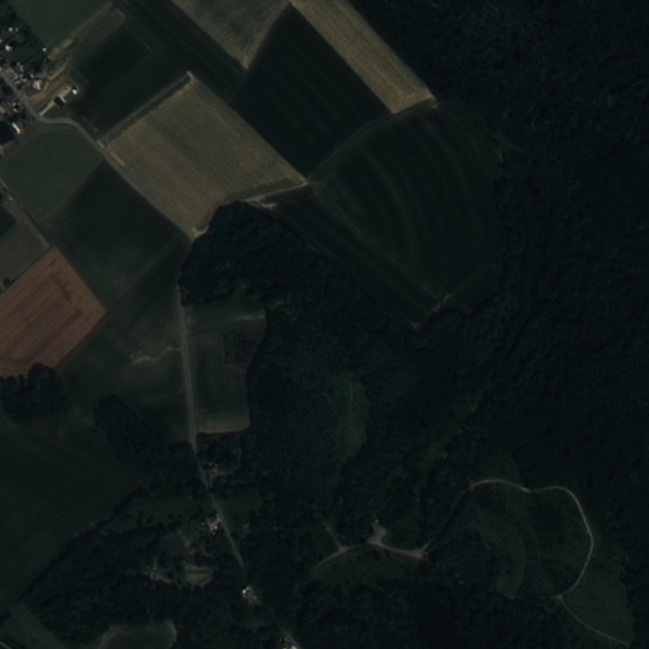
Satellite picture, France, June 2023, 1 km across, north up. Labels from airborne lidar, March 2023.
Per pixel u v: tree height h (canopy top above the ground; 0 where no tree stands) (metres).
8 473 0
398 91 0
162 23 0
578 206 21
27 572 0
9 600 0
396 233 0
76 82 0
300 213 0
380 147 0
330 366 24
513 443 22
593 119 29
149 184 0
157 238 0
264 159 0
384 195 0
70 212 0
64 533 0
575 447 25
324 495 31
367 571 0
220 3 0
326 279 20
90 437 0
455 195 0
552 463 24
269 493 21
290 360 23
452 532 21
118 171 0
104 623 18
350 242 0
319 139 0
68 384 0
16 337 0
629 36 23
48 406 18
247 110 0
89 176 0
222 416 0
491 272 0
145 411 0
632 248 31
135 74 0
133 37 0
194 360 0
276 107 0
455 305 0
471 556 18
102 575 21
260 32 0
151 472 20
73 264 0
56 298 0
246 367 0
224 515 0
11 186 0
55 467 0
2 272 0
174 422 0
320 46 0
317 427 25
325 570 0
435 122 0
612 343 20
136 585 24
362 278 0
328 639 20
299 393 24
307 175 0
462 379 23
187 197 0
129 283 0
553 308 21
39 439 0
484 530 0
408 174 0
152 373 0
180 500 0
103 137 0
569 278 15
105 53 0
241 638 24
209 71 0
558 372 18
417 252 0
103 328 0
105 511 0
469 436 29
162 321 0
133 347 0
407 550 0
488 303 16
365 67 0
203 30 0
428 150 0
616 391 21
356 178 0
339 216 0
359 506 26
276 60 0
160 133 0
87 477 0
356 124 0
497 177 0
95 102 0
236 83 0
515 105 21
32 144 0
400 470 26
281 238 23
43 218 0
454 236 0
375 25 23
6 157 0
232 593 24
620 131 23
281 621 16
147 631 0
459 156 0
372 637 22
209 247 22
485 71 24
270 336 17
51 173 0
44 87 0
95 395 0
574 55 24
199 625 25
